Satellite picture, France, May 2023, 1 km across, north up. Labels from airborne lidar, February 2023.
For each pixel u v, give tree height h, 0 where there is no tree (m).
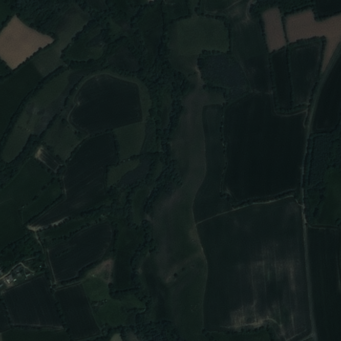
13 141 0
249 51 0
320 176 20
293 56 0
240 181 0
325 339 0
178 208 0
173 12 0
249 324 0
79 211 0
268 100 0
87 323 0
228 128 0
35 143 10
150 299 8
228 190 0
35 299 0
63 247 0
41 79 0
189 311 0
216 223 0
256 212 0
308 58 0
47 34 9
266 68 0
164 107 0
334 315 0
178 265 0
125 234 0
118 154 8
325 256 0
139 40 17
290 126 0
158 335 17
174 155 0
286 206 0
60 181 11
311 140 7
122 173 0
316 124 0
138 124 0
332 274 0
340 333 0
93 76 0
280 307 0
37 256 15
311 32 0
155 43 0
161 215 0
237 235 0
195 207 0
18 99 0
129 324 0
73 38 6
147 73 8
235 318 0
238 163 0
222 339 0
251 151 0
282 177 0
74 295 0
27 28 0
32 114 0
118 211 11
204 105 0
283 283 0
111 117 0
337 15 8
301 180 0
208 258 0
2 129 0
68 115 0
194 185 0
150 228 13
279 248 0
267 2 16
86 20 0
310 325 0
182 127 0
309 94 0
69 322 0
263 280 0
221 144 0
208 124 0
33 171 0
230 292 0
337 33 0
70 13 0
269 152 0
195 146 0
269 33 0
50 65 0
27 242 8
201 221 0
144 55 7
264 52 0
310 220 19
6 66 6
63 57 13
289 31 0
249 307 0
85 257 0
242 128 0
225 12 0
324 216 0
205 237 0
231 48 7
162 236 0
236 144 0
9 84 0
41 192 8
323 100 0
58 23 0
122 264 0
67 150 0
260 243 0
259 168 0
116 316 0
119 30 0
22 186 0
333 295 0
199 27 0
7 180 9
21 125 0
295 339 0
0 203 0
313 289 0
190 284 0
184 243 0
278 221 0
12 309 0
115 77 0
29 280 0
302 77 0
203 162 0
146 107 0
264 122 0
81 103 0
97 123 0
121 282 0
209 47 0
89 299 0
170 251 0
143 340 8
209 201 0
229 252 0
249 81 0
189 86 14
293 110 9
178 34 0
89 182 0
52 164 0
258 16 11
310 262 0
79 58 0
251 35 0
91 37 0
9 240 0
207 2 0
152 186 8
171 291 0
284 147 0
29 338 0
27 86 0
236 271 0
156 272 0
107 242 0
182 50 0
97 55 0
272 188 0
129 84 0
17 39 0
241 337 0
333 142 18
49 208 9
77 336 0
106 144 0
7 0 17
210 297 0
